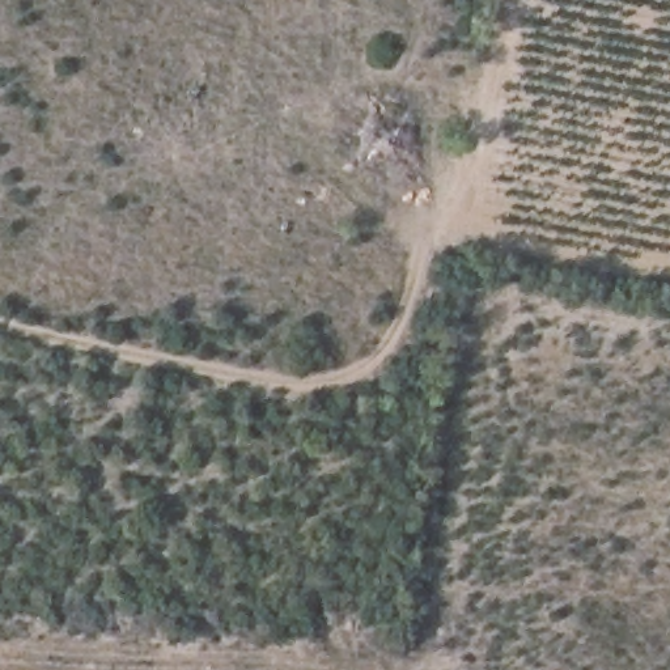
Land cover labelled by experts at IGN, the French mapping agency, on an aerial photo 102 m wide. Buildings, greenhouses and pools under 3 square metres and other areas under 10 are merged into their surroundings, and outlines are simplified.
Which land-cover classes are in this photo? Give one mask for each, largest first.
<instances>
[{"label":"herbaceous vegetation","instance_id":"1","mask_svg":"<svg viewBox=\"0 0 670 670\"><path fill-rule=\"evenodd\" d=\"M442 24H458V13L445 8L442 0H0V293L24 296L29 298V304L63 317L94 311L110 304L113 319L118 322L149 314L154 309H165L183 296L196 298L194 311L202 319V325L215 319V306L220 301H238L249 306L251 325L262 322V317L275 309H288L298 319L325 314L330 317L338 332L345 364L372 356L387 325L372 322V311L379 304V296L390 291L400 298L406 293L408 272V249L398 241L395 230L400 228L403 215L416 212V204H427V209H434V178L448 173V168L458 157L440 152L429 139L434 126L461 115L458 79L466 86H476L484 65L463 76H450V65H461L466 52L450 50L437 58H424V50L432 42H437V31ZM382 31H393L406 42V52L393 68H374L366 58L369 42ZM364 207L385 217V222L377 225V233L369 243H361L353 228V212ZM484 311L505 306V319L484 330L482 351L471 343L455 345L453 385L442 395V421L437 424L434 434L437 450H419V466L440 468V479L429 487L421 526L403 537L406 547L421 550V563H398L400 578L406 581V589L414 597V639L424 644V652H414L411 660H400L390 652L377 649L369 639L372 628L364 626L359 615H348L343 626H335L319 641L296 639L272 646H256L246 636H222L220 641L199 636L186 644H170L168 636L160 631L154 612L107 615V628L97 639L71 636L68 631L47 626L44 620L26 612L10 618L0 615V670H565L547 654V649H539L542 667H531L523 657H518V649L529 644V631L534 628H544L542 641H550L555 633L571 636L578 620H555L552 612L568 605H578L581 599H597L602 605L612 599L623 602L620 610L628 618V633L639 641L662 636L665 649L670 652V474L665 479H657V468H662L667 461L660 450L641 453L639 463H626L623 458H618L610 468L578 466V474L586 482V487L573 489L563 500H550L539 495L516 497L503 510L497 526L474 531L461 542L445 539V523L450 529H458L468 521L471 505L497 503V497L487 495L466 497L468 489L500 487L505 476L492 474L487 482H463V463L468 458V432L463 429V414L471 408V377L476 372H484V356H495L497 345L516 332L518 325L537 322L544 317H557L560 322L557 327L544 330L539 345L521 348L523 359L510 364L513 387H508V403L516 400V395H523L537 403H550L555 411L565 414L573 406V400L568 395H557V387H586L589 382L568 374V369L573 366H602L612 374V379H620L628 390L636 385L639 377L649 374L654 366L670 369V319L628 317L605 306L568 309L555 298L523 293L518 291V285L487 293V298L482 301ZM573 325H586L591 338H602V348L597 356H576V340L568 332ZM586 495L605 497V505L599 508V516L594 521L578 523L576 534L584 539L605 531L620 534L626 523H646V531L626 537L633 544V550L628 552H615L610 542L597 544L605 555L602 571L594 573L584 565V560L565 557L555 565L534 568L531 576L521 581L484 584L482 571H471L466 581H453L445 586L440 584L445 568L458 571L463 565V555L476 542L495 537L500 531H508L500 563L516 560L518 531H529L531 539H539L550 534L555 526H565L568 518L576 513L578 497ZM474 591L482 594L479 607H487L492 599L513 602L537 591H550L552 602L542 605L534 623H518V639L503 646V660H489L487 649L495 639V631H487L484 623L466 610V599Z\"/></svg>","mask_w":670,"mask_h":670},{"label":"deciduous trees","instance_id":"2","mask_svg":"<svg viewBox=\"0 0 670 670\"><path fill-rule=\"evenodd\" d=\"M432 298L419 301L408 335L372 379L322 387L296 400H285V387L264 390L249 382H230L228 387H220L212 377L196 374L186 366L131 364L120 361L115 353L107 351L50 345L37 335H24L8 327L0 325V615L10 618L26 612L44 620L47 626L68 631L71 636L97 639L107 628V615L154 612L160 631L168 636L170 644H186L199 636L220 641L222 636H246L256 646H272L296 639L319 641L335 626H343L348 615H359L364 626L372 628L369 639L377 649L390 652L400 660H411L414 652H424V644L414 639V597L406 589V581L400 578L398 563H421V550L406 547L403 537L421 526L429 487L440 479V468L419 466V450H437L434 434L437 424L442 421V395L453 385L455 345L471 343L482 351L484 330L505 319V306L484 311L482 301L487 298V293L518 285V291L523 293L555 298L568 309L605 306L628 317L670 319V270L639 272L633 267L620 264L618 251L612 249L605 256L594 259H557L552 254H534L523 249L510 233L500 236L468 238L458 246L442 249L432 256L429 275Z\"/></svg>","mask_w":670,"mask_h":670},{"label":"brushwood","instance_id":"3","mask_svg":"<svg viewBox=\"0 0 670 670\"><path fill-rule=\"evenodd\" d=\"M406 52V42L393 31H382L369 42L366 58L374 68H393ZM385 222V217L364 207L353 212V228L361 243H369L377 233V225ZM400 314V298L390 291L379 296V304L372 311V322L387 325ZM196 298L183 296L165 309H154L149 314L118 322L113 319L110 304L94 311L63 317L29 304V298L24 296L0 293V325L8 327L16 317L63 332H84L115 343H136L139 348H162L170 353L228 361L236 366L277 369L293 377H309L317 372L340 369L345 364L338 332L330 317L325 314L298 319L288 309H275L262 317V322L251 325L249 306L238 301H220L215 306V319L202 325V319L194 311ZM560 322L557 317H544L537 322L518 325L516 332L497 345L495 356H484V372H476L471 377V408L463 414V429L468 432V458L463 463V482H487L492 474L505 476L500 487L468 489L466 497L487 495L497 497V503L471 505L468 521L458 529H450L445 523V539L461 542L474 531L497 526L503 510L516 497L539 495L550 500H563L573 489L586 487V482L578 474V466L610 468L618 458H623L626 463H639L641 453L660 450L667 461L662 468H657V479H665L670 474V369L654 366L649 374L639 377L636 385L628 390L620 379H612V374L602 366H573L568 369V374L589 382L586 387H557V395H568L573 400V406L565 414L555 411L550 403H537L523 395H516V400L508 403V387H513L510 364L523 359L521 348L539 345L544 330L557 327ZM568 332L576 340V356H597L602 348V338H591L586 325H573ZM605 505V497L586 495L578 497L576 513L568 518L565 526H555L550 534L539 539H531L529 531H518L516 560L500 563L508 531H500L495 537L476 542L463 555V565L458 571L445 568L440 584L445 586L453 581H466L471 571H482L484 584L521 581L531 576L534 568L555 565L565 557L584 560V565L594 573L602 571L605 555L597 544L610 542L615 552H628L633 550V544L626 537L646 531V523H626L620 534L605 531L584 539L576 534L578 523L594 521L599 516V508ZM482 594L474 591L466 599V610L484 623L487 631H495V639L487 649L489 660H503V646L518 639V623H534L542 605L552 602L550 591H537L513 602L492 599L487 607H479ZM623 602L612 599L602 605L597 599H581L578 605H568L552 612L555 620H578L571 636L555 633L550 641H542L544 628H534L529 631V644L518 649V657H523L531 667H542L539 649H547V654L565 670H670V652L665 649L662 636L639 641L628 633V618L620 610Z\"/></svg>","mask_w":670,"mask_h":670},{"label":"vineyard","instance_id":"4","mask_svg":"<svg viewBox=\"0 0 670 670\"><path fill-rule=\"evenodd\" d=\"M445 8L458 13V24H442L437 31V42H432L424 50V58H437L450 50L466 52L461 65H450V76H463L484 65L500 63L505 58L500 37L510 29H521L523 73L518 76V81H505V92L531 94L529 110H505L503 115V131L510 141V152L508 162L500 165V175L495 181H500L497 191L513 199V207L508 215H503L505 225L500 236L510 233L542 238H557V233H571L670 254V0H442ZM440 152L458 157L479 147L476 133L471 131V120L461 115L434 126L429 139Z\"/></svg>","mask_w":670,"mask_h":670},{"label":"plowed land","instance_id":"5","mask_svg":"<svg viewBox=\"0 0 670 670\"><path fill-rule=\"evenodd\" d=\"M505 58L500 63L484 65L476 86H466L458 79L461 115L471 120V131L476 133L479 147L458 157L448 168V173L434 178V209H427V204H416V212L403 215L400 228L395 230L398 241L408 249V272H416L421 277L429 275L432 256L442 249L458 246L468 238L500 236L505 225L503 215H508L513 207V199L497 191L500 181H495L500 175V165L508 162L510 152V141L503 131V115L505 110H529L531 94L505 92V81H518V76L523 73L521 29H510L500 37ZM523 249L534 254H552L557 259H594L605 256L612 249L618 251L620 264L633 267L639 272L670 270V254L571 233H557V238H542L510 233Z\"/></svg>","mask_w":670,"mask_h":670},{"label":"pervious surface","instance_id":"6","mask_svg":"<svg viewBox=\"0 0 670 670\"><path fill-rule=\"evenodd\" d=\"M432 298L429 275L421 277L416 272H408L406 293L400 298V314L387 325L372 356L345 364L340 369L317 372L309 377H293L277 369L236 366L228 361L170 353L162 348H139L136 343H115L84 332H63L16 317L8 327L24 335H37L50 345L107 351L115 353L120 361L131 364L186 366L196 374L212 377L220 387H228L230 382H249L264 390L285 387V400H296L322 387L372 379L408 335L419 301Z\"/></svg>","mask_w":670,"mask_h":670}]
</instances>
